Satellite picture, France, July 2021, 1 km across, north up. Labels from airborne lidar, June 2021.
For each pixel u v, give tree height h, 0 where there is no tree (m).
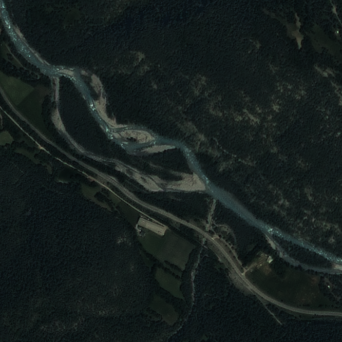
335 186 8
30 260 11
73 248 10
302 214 8
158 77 9
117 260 9
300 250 12
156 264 10
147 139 0
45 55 13
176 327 11
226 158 7
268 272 0
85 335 9
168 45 12
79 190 10
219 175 10
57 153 18
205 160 14
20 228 10
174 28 12
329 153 10
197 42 14
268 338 17
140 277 9
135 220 0
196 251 9
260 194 7
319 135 8
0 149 9
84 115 12
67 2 5
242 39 6
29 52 0
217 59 15
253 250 10
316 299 0
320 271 0
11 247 14
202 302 7
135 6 13
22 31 13
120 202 0
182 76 10
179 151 13
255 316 23
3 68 27
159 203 16
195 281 10
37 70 12
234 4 9
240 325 19
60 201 15
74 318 9
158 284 13
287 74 6
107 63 7
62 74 0
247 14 12
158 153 11
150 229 0
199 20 8
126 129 0
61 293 10
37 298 9
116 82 13
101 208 9
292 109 7
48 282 20
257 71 7
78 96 13
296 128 9
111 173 13
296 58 12
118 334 9
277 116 8
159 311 0
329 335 18
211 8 13
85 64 16
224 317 17
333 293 6
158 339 7
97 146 14
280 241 7
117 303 8
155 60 9
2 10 0
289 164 7
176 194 5
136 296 6
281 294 0
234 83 9
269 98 7
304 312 0
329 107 7
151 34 12
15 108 0
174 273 10
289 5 13
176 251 0
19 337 9
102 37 9
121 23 9
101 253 13
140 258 12
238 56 7
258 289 0
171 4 7
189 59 11
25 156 13
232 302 26
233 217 10
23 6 9
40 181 15
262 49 9
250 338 19
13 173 6
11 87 0
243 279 0
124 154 11
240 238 9
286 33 8
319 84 11
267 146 9
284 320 14
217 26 9
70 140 0
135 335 13
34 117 0
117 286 9
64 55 13
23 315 8
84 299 8
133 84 14
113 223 7
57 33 14
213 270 11
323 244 11
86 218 20
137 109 14
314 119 11
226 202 0
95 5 12
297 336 28
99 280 9
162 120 9
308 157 10
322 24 8
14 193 8
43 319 13
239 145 9
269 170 8
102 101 0
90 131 17
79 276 13
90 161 14
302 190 7
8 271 16
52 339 13
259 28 13
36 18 14
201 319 13
